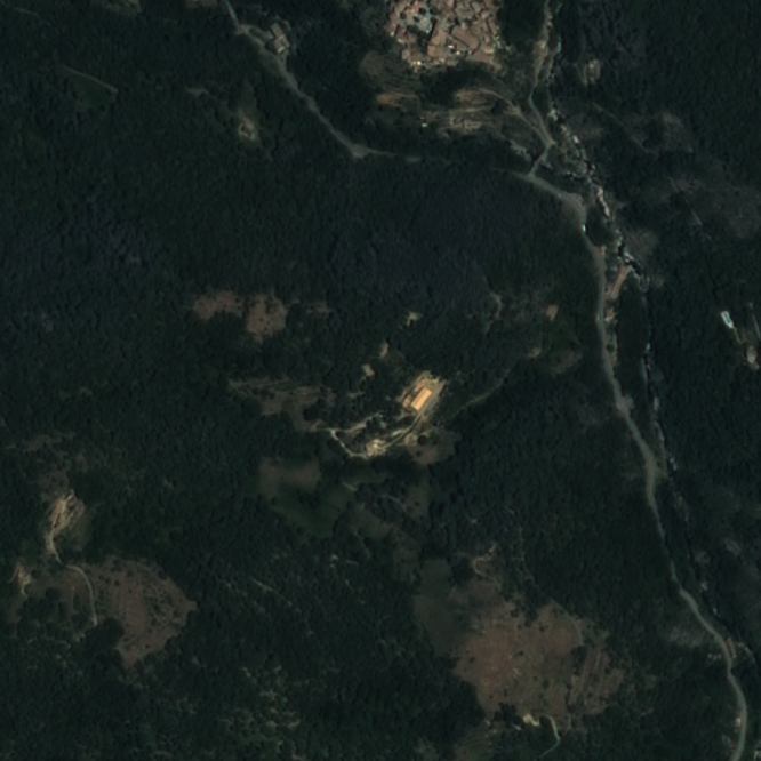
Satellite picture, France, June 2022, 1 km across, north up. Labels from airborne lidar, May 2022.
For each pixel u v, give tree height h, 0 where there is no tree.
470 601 0
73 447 8
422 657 16
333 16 15
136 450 12
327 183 14
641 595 14
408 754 15
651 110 11
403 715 11
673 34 15
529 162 12
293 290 8
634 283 11
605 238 16
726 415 17
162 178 19
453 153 17
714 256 9
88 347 22
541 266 21
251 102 0
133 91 22
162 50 27
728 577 10
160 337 13
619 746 12
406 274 28
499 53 7
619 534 14
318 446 9
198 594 12
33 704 20
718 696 10
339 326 15
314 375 18
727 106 10
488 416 24
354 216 14
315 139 11
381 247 16
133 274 24
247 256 12
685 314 10
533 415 16
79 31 13
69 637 11
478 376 19
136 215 18
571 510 9
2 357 26
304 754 10
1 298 22
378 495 13
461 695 15
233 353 7
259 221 13
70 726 13
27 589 5
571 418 11
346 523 13
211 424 15
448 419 0
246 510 13
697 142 8
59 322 22
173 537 13
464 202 26
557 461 16
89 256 20
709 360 7
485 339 25
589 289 14
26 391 20
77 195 13
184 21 15
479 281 26
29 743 21
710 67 11
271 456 17
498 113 13
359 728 12
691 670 7
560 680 0
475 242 20
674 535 16
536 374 18
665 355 22
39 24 8
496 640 0
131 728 18
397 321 16
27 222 28
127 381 19
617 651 8
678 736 15
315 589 8
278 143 14
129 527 15
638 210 15
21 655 10
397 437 0
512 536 15
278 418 14
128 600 0
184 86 13
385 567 9
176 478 18
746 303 14
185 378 19
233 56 14
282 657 12
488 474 11
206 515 14
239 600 6
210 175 19
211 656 14
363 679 14
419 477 15
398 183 15
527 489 10
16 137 14
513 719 11
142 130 20
